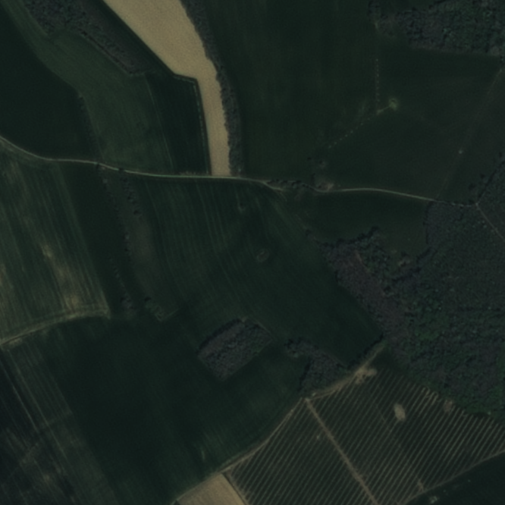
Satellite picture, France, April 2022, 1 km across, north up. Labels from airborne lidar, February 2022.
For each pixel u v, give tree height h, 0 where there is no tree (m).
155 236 0
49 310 0
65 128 0
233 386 0
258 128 0
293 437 0
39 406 0
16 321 0
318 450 0
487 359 28
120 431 0
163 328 0
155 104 0
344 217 0
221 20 0
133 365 0
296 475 0
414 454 0
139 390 0
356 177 0
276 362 0
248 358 17
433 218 19
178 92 0
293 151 0
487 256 12
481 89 0
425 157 0
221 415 0
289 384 0
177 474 0
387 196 0
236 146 13
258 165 0
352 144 0
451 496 0
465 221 18
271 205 0
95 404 0
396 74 0
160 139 0
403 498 0
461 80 0
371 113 0
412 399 0
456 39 20
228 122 12
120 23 0
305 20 0
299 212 0
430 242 14
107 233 0
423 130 0
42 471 0
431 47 18
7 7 0
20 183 0
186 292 0
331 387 17
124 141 0
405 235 0
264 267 0
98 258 0
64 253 0
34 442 0
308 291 0
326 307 0
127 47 0
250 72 0
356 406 0
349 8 0
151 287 0
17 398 0
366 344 0
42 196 0
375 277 10
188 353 0
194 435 0
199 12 15
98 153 6
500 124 0
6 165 0
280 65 0
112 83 0
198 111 0
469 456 0
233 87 0
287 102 0
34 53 0
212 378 0
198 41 0
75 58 0
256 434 0
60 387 0
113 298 0
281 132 0
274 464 0
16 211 0
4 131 0
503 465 0
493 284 15
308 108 0
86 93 0
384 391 0
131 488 0
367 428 0
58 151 0
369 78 0
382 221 0
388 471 0
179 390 0
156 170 0
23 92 0
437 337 19
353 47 0
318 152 0
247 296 0
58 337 0
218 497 0
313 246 0
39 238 0
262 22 0
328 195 0
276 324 0
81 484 0
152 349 0
